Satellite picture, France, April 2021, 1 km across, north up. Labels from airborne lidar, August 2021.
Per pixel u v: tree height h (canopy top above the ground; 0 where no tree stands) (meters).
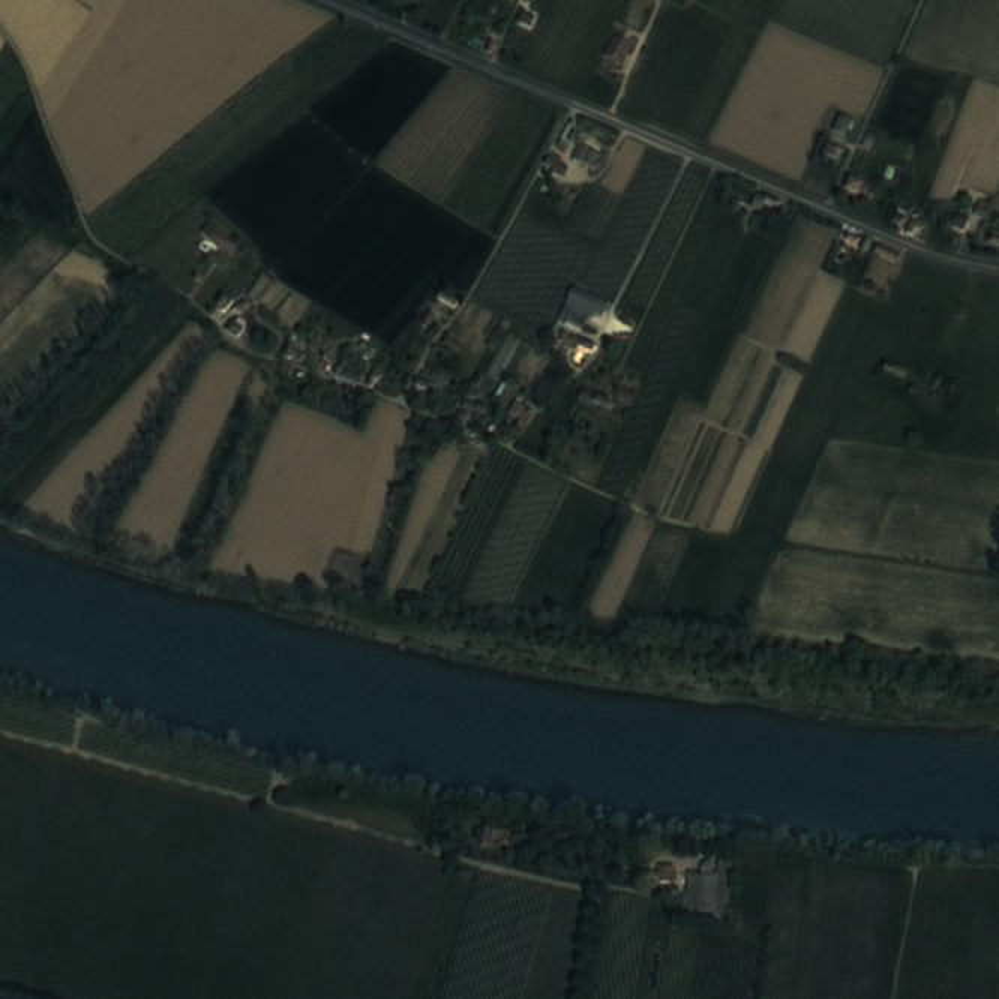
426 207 0
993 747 0
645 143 0
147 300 18
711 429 0
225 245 0
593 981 14
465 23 8
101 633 0
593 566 15
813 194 0
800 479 0
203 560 29
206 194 0
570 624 23
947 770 0
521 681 0
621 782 0
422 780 34
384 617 0
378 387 6
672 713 0
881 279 0
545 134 0
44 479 0
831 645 11
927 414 0
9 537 0
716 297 0
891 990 0
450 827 11
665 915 0
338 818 0
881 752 0
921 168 7
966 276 0
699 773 0
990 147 0
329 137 0
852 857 11
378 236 0
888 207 7
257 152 0
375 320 0
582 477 0
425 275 0
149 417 15
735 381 0
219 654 0
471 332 0
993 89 0
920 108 0
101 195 0
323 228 0
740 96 0
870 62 0
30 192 0
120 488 22
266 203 0
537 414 0
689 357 0
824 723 0
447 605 7
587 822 13
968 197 12
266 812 12
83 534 19
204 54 0
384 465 0
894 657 14
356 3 0
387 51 0
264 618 0
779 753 0
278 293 0
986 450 0
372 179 0
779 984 0
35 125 0
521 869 11
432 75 0
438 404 13
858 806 0
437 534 0
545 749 0
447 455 0
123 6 0
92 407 21
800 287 0
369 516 0
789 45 0
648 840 27
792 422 0
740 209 20
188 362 21
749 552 0
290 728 0
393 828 0
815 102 0
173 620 0
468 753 0
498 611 16
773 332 0
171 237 0
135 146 0
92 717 10
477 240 0
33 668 0
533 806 16
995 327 0
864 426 0
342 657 0
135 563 28
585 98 0
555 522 0
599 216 5
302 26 0
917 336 0
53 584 0
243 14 0
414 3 6
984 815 0
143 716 29
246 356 8
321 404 7
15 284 0
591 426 12
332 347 0
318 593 24
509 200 0
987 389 0
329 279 0
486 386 0
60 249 0
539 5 0
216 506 22
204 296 0
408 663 0
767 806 0
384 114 0
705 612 0
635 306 0
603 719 0
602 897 15
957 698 9
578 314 0
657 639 35
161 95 0
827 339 0
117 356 19
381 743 0
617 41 0
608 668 0
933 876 0
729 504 0
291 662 0
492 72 0
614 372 6
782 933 0
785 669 15
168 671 0
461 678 0
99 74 0
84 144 0
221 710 0
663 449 0
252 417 28
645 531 0
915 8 0
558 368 0
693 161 0
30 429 16
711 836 20
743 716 0
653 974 0
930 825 0
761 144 0
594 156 0
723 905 0
